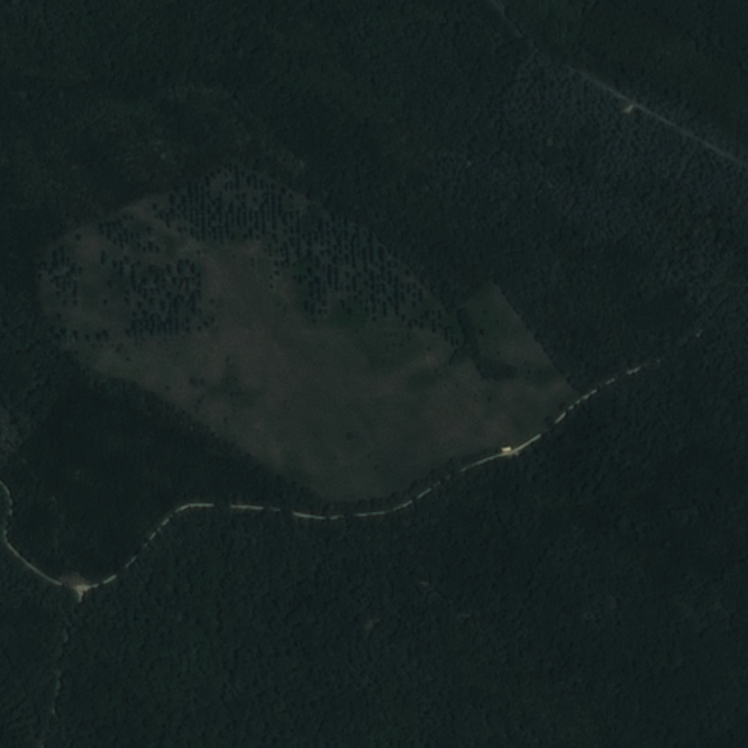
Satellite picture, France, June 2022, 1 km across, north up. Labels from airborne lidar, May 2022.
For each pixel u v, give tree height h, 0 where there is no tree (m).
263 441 0
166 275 9
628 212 24
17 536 6
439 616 20
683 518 20
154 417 11
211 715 27
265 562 20
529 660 16
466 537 14
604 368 9
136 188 17
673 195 24
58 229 14
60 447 8
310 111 17
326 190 22
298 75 10
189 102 17
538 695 15
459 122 26
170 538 16
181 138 18
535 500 17
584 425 9
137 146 18
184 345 0
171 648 26
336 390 0
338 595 22
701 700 20
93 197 16
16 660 16
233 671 28
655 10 21
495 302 0
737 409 12
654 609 22
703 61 10
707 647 20
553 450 6
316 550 25
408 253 18
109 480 7
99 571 6
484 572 7
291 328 0
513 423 0
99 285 0
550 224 24
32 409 24
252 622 16
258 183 17
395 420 0
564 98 14
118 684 31
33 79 19
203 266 0
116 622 20
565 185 22
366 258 20
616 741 18
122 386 15
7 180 13
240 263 0
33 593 9
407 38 12
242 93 26
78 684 19
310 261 11
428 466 0
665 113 25
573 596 26
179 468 6
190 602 28
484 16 23
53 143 17
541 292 6
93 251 0
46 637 8
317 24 21
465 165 18
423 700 14
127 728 29
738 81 9
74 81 15
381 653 18
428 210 10
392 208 20
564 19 17
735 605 20
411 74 23
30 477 7
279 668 29
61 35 19
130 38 24
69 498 11
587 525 12
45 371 23
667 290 9
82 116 20
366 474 0
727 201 23
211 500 7
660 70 10
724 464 8
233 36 23
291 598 24
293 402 0
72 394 11
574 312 11
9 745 8
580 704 18
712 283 27
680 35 10
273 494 7
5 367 27
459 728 23
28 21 14
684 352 15
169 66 14
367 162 20
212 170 10
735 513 9
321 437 0
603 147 18
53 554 8
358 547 20
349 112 16
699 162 20
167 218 15
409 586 21
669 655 21
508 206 26
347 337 0
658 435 16
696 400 13
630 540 5
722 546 15
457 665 18
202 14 23
